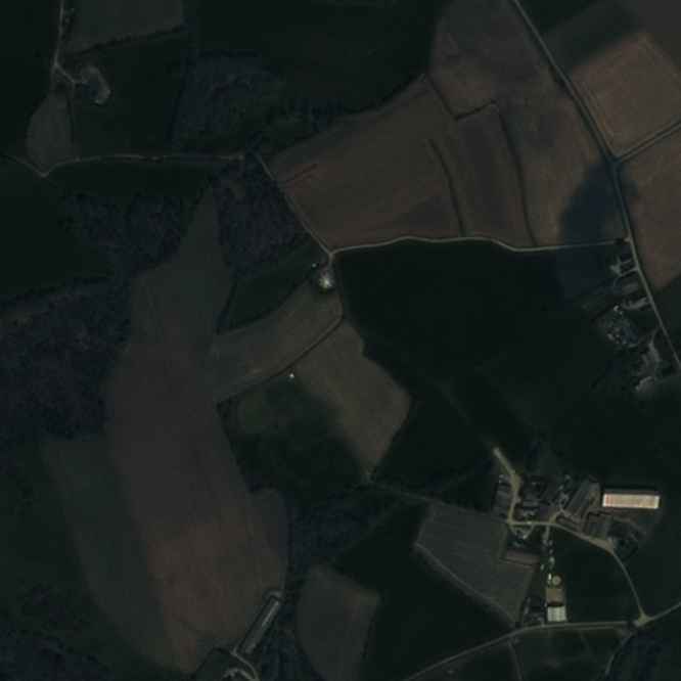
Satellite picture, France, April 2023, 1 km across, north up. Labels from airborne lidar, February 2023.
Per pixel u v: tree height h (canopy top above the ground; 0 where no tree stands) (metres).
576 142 0
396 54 0
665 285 0
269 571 0
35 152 0
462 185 0
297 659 10
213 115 20
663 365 0
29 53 0
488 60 0
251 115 10
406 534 0
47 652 11
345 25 0
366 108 6
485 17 0
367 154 0
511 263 0
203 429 0
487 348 0
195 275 0
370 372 0
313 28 0
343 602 0
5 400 16
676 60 0
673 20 0
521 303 0
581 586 0
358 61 0
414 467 0
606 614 0
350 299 0
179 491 0
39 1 0
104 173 0
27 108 0
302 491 0
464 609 0
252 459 0
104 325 16
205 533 0
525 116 0
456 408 0
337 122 16
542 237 0
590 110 0
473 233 0
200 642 0
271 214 12
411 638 0
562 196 0
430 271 0
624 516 0
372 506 0
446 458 0
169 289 0
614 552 0
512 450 0
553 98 0
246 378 0
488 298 0
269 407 0
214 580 0
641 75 0
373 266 0
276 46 0
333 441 0
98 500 0
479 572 0
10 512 0
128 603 0
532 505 0
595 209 0
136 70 0
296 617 9
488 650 0
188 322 0
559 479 0
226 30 0
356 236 0
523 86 0
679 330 0
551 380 0
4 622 13
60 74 0
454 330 0
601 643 0
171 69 10
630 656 23
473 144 0
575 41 0
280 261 10
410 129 0
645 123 0
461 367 0
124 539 0
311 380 0
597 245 0
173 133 13
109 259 10
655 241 0
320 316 0
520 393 0
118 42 7
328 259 0
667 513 0
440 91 0
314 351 0
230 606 0
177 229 16
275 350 0
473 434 0
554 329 0
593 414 0
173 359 0
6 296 0
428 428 0
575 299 0
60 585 0
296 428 0
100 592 0
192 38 9
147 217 12
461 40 0
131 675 0
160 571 0
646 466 0
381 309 0
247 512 0
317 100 0
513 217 0
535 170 0
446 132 0
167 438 0
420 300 0
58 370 9
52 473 0
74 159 0
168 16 0
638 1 0
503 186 0
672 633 0
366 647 7
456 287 0
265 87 19
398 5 0
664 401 0
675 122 0
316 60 0
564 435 0
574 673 0
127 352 0
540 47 7
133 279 10
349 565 0
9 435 15
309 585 0
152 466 0
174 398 0
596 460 0
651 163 0
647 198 0
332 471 0
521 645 0
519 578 0
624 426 0
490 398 0
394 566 0
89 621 0
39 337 18
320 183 0
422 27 0
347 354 0
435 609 0
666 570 0
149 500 0
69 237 14
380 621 0
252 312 0
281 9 0
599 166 0
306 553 16
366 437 0
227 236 12
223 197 7
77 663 18
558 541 0
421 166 0
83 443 0
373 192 0
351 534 19
